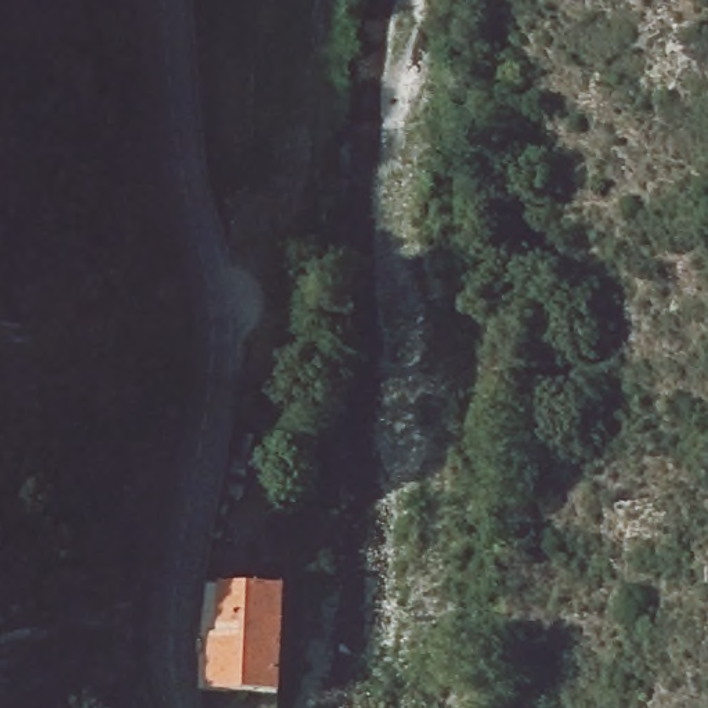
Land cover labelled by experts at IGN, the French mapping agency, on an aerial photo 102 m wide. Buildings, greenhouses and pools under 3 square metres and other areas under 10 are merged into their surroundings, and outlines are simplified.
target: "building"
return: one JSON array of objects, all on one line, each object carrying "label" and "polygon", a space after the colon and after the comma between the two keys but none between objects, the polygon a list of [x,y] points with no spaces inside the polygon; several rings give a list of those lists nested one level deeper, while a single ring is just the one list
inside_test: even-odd
[{"label": "building", "polygon": [[213,581],[205,586],[205,625],[210,628],[205,644],[205,678],[216,689],[238,691],[274,694],[279,678],[282,581],[241,578]]}]

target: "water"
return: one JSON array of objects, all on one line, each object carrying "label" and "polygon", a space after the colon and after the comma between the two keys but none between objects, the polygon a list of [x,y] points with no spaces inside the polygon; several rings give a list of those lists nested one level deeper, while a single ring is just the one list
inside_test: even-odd
[{"label": "water", "polygon": [[282,708],[351,708],[354,686],[360,680],[368,680],[371,667],[371,644],[382,636],[382,608],[373,608],[365,600],[365,550],[384,545],[384,531],[390,525],[376,506],[387,495],[387,490],[379,484],[384,467],[376,448],[376,420],[384,404],[382,387],[387,379],[420,373],[418,365],[407,365],[407,340],[412,332],[412,321],[418,315],[426,315],[423,301],[431,299],[429,279],[437,274],[426,268],[426,263],[418,254],[401,254],[398,235],[376,227],[376,180],[379,166],[384,163],[382,124],[387,116],[382,108],[384,47],[387,22],[393,17],[398,0],[357,0],[362,6],[362,19],[357,33],[360,55],[351,61],[351,86],[351,119],[346,133],[337,138],[340,163],[348,163],[340,224],[343,252],[357,257],[362,266],[360,285],[365,326],[360,343],[368,348],[368,360],[354,371],[354,384],[346,393],[343,412],[343,418],[354,418],[365,437],[357,448],[346,448],[335,459],[335,467],[343,470],[346,490],[346,548],[335,556],[335,572],[310,572],[307,564],[321,550],[315,545],[315,523],[310,517],[290,520],[282,509],[271,506],[257,520],[257,528],[263,534],[260,559],[241,578],[282,581],[279,678],[290,686],[293,697]]}]

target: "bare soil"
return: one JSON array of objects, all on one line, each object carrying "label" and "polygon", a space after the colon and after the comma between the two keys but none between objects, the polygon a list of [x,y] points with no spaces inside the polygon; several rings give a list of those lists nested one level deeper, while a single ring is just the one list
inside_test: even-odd
[{"label": "bare soil", "polygon": [[393,53],[393,36],[398,30],[393,17],[387,22],[384,47],[382,108],[387,116],[382,124],[387,130],[404,127],[409,111],[420,83],[412,66],[412,50],[420,36],[420,25],[426,17],[423,0],[415,0],[415,28],[409,30],[404,55]]}]

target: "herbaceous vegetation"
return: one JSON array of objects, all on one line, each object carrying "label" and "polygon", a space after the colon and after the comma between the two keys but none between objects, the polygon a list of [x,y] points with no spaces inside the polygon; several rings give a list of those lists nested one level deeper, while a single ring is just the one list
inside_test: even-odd
[{"label": "herbaceous vegetation", "polygon": [[293,11],[301,0],[224,0],[218,6],[218,25],[221,50],[227,53],[227,69],[232,75],[243,75],[252,83],[252,89],[263,91],[263,108],[243,136],[243,141],[249,144],[241,155],[246,174],[243,185],[235,191],[235,196],[224,199],[230,216],[230,238],[224,243],[230,249],[232,266],[221,268],[218,277],[224,285],[227,304],[238,310],[241,329],[249,337],[243,343],[243,368],[230,373],[230,398],[232,409],[238,412],[238,423],[230,434],[230,451],[235,451],[243,462],[235,470],[224,473],[221,481],[232,487],[232,498],[243,501],[238,506],[238,514],[257,520],[271,506],[252,465],[252,454],[282,415],[266,395],[266,384],[274,376],[274,351],[288,346],[293,337],[290,299],[296,285],[290,282],[285,268],[285,243],[290,238],[299,238],[318,218],[318,207],[340,224],[348,163],[340,163],[337,138],[324,141],[324,124],[310,113],[299,113],[301,69],[296,66],[296,55],[301,50],[296,50],[293,44]]},{"label": "herbaceous vegetation", "polygon": [[664,252],[658,257],[664,263],[672,263],[678,271],[678,279],[672,282],[669,293],[669,299],[678,301],[678,307],[683,307],[691,296],[697,301],[708,301],[708,285],[697,279],[697,268],[691,266],[689,254]]},{"label": "herbaceous vegetation", "polygon": [[[384,163],[379,166],[376,180],[376,227],[398,235],[401,254],[418,254],[426,263],[426,268],[437,274],[429,279],[431,299],[423,301],[426,315],[418,315],[412,321],[412,332],[407,340],[407,365],[418,365],[420,373],[387,379],[382,387],[384,404],[376,420],[376,448],[384,467],[379,484],[387,490],[387,495],[376,506],[390,525],[384,531],[384,545],[365,550],[365,600],[373,608],[382,608],[382,636],[371,644],[371,667],[376,661],[384,661],[384,647],[395,644],[395,639],[401,639],[407,631],[415,631],[415,622],[437,622],[437,617],[454,614],[456,603],[448,603],[443,608],[437,606],[437,597],[429,595],[429,589],[440,589],[445,584],[445,564],[437,561],[437,553],[429,548],[440,539],[440,528],[434,523],[443,520],[440,498],[434,498],[431,492],[454,490],[454,476],[445,470],[445,456],[448,445],[459,443],[462,434],[454,434],[448,429],[448,401],[456,390],[476,387],[478,343],[462,326],[467,315],[462,315],[456,307],[462,274],[456,271],[456,263],[462,257],[456,254],[456,249],[440,246],[420,252],[418,230],[412,227],[412,216],[418,216],[420,207],[420,196],[412,188],[412,183],[415,171],[420,169],[420,155],[429,149],[429,130],[423,111],[409,111],[404,127],[387,130],[382,124]],[[431,490],[420,492],[423,512],[418,525],[418,548],[409,550],[407,545],[395,545],[393,537],[395,520],[407,517],[404,501],[409,492],[415,492],[412,481],[420,478],[431,478]]]},{"label": "herbaceous vegetation", "polygon": [[611,277],[606,268],[606,260],[611,257],[617,241],[625,232],[625,216],[620,210],[622,199],[639,196],[642,202],[650,202],[655,188],[672,194],[678,180],[700,177],[700,171],[691,169],[683,158],[675,158],[675,141],[664,138],[661,133],[661,113],[617,113],[611,102],[600,94],[600,72],[592,72],[586,89],[581,83],[581,69],[572,66],[559,50],[539,44],[534,30],[525,36],[525,53],[548,69],[548,77],[539,80],[539,86],[545,91],[561,94],[567,102],[575,102],[589,116],[586,133],[570,130],[561,119],[550,119],[545,124],[548,133],[559,136],[561,147],[584,152],[586,169],[584,191],[578,191],[572,202],[564,205],[564,218],[572,221],[572,227],[567,238],[564,263],[553,271],[556,277],[564,277],[570,285],[581,285],[592,296],[589,310],[595,315],[595,351],[603,360],[608,360],[622,346],[625,354],[633,360],[653,360],[658,376],[655,412],[664,409],[667,398],[678,390],[708,401],[708,382],[700,379],[700,371],[689,371],[686,379],[678,379],[675,373],[669,373],[669,360],[683,362],[702,346],[700,337],[708,332],[708,324],[700,321],[686,326],[689,346],[683,348],[669,340],[658,340],[650,332],[650,318],[639,313],[639,307],[625,307],[625,288],[620,277]]},{"label": "herbaceous vegetation", "polygon": [[393,53],[404,55],[409,30],[415,28],[415,0],[398,0],[393,17],[398,30],[393,36]]},{"label": "herbaceous vegetation", "polygon": [[642,89],[672,89],[680,97],[691,94],[691,89],[680,83],[680,72],[686,69],[689,75],[697,75],[697,61],[689,58],[683,47],[678,53],[667,53],[667,41],[680,41],[680,30],[697,25],[691,0],[625,0],[633,8],[633,22],[639,25],[636,41],[644,50],[650,66],[639,77]]}]

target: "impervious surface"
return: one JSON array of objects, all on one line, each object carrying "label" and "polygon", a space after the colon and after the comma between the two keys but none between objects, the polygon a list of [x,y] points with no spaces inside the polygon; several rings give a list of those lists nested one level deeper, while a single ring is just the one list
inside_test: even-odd
[{"label": "impervious surface", "polygon": [[238,423],[238,412],[232,409],[230,398],[230,373],[243,368],[243,343],[249,337],[241,329],[238,310],[227,304],[224,285],[218,277],[221,268],[232,266],[230,249],[224,243],[230,238],[230,216],[224,199],[235,196],[235,191],[243,185],[246,174],[241,155],[249,144],[243,141],[243,136],[263,108],[263,91],[252,89],[252,83],[243,75],[232,75],[227,69],[227,53],[221,50],[218,25],[218,6],[224,0],[152,0],[163,11],[160,47],[149,55],[147,77],[155,113],[152,163],[158,166],[158,202],[166,213],[169,232],[174,241],[171,249],[177,263],[177,288],[183,296],[188,329],[194,335],[191,373],[199,376],[196,404],[183,418],[166,462],[169,520],[160,542],[163,575],[155,584],[149,584],[144,595],[141,653],[155,672],[163,708],[232,708],[238,691],[216,689],[205,678],[205,644],[210,628],[205,625],[205,586],[213,581],[241,578],[260,559],[263,534],[257,528],[257,520],[238,514],[238,506],[243,501],[232,498],[232,487],[221,481],[224,473],[235,470],[243,462],[235,451],[230,451],[230,434]]}]

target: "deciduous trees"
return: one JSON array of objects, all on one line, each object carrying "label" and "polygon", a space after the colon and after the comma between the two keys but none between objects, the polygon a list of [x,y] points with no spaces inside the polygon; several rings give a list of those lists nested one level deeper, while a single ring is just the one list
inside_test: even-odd
[{"label": "deciduous trees", "polygon": [[423,0],[426,17],[420,25],[420,36],[429,41],[426,55],[431,55],[429,75],[420,83],[409,111],[423,111],[429,130],[429,149],[420,155],[420,169],[415,171],[412,183],[412,188],[420,196],[420,207],[418,216],[412,216],[412,227],[418,230],[420,252],[440,246],[456,249],[456,254],[462,257],[456,263],[456,271],[462,274],[456,307],[462,315],[467,315],[462,326],[478,343],[476,387],[456,390],[448,401],[448,429],[454,434],[462,434],[459,443],[448,445],[445,456],[445,470],[454,476],[454,490],[431,492],[434,498],[440,498],[443,520],[434,523],[440,528],[440,539],[429,548],[437,553],[437,561],[445,564],[445,584],[440,589],[429,589],[429,595],[437,597],[437,606],[443,608],[448,603],[456,603],[454,614],[454,644],[445,653],[445,672],[459,675],[470,686],[459,694],[462,708],[495,708],[512,700],[514,689],[503,680],[503,672],[498,669],[503,667],[501,639],[506,631],[506,614],[501,614],[498,606],[487,597],[490,589],[498,584],[495,561],[501,556],[501,539],[492,531],[492,525],[501,492],[506,490],[498,481],[495,459],[503,456],[509,437],[528,456],[542,443],[556,451],[567,440],[578,440],[581,407],[592,398],[589,379],[603,373],[597,362],[603,360],[595,351],[595,315],[589,310],[592,296],[581,285],[570,285],[564,277],[556,277],[553,271],[539,252],[514,254],[506,246],[490,243],[487,199],[476,191],[476,177],[467,169],[470,144],[462,136],[462,122],[451,97],[456,80],[467,75],[470,66],[481,61],[481,55],[487,53],[487,41],[478,30],[484,6],[478,0]]},{"label": "deciduous trees", "polygon": [[301,50],[296,55],[296,66],[301,69],[299,113],[310,113],[324,124],[324,141],[337,138],[346,133],[351,119],[351,86],[346,91],[337,91],[326,69],[332,8],[337,0],[301,0],[293,11],[293,44],[296,50]]},{"label": "deciduous trees", "polygon": [[232,708],[282,708],[293,697],[290,686],[279,678],[274,694],[238,691]]},{"label": "deciduous trees", "polygon": [[368,348],[360,343],[365,326],[360,285],[362,266],[357,257],[343,252],[340,224],[318,207],[318,218],[299,238],[290,238],[285,243],[285,268],[290,282],[296,285],[290,299],[293,337],[288,346],[274,351],[274,376],[266,384],[266,395],[282,415],[252,454],[252,465],[271,506],[282,509],[290,520],[310,517],[315,523],[315,545],[321,550],[307,564],[310,572],[335,572],[335,556],[346,548],[346,490],[343,470],[335,467],[335,459],[346,448],[357,448],[365,437],[354,418],[343,418],[343,412],[346,393],[354,384],[354,371],[368,360]]},{"label": "deciduous trees", "polygon": [[169,232],[166,213],[158,202],[158,166],[152,163],[155,113],[147,77],[149,55],[160,47],[163,11],[152,0],[0,0],[0,708],[163,708],[155,672],[141,653],[144,595],[149,584],[155,584],[163,575],[160,542],[169,520],[166,462],[183,418],[196,404],[199,376],[191,373],[194,335],[188,329],[183,296],[177,288],[177,263],[171,249],[174,241]]}]

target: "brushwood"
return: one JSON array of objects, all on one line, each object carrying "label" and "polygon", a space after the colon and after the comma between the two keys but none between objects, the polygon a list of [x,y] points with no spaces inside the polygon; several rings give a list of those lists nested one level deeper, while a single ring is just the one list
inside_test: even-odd
[{"label": "brushwood", "polygon": [[625,232],[617,241],[611,257],[606,260],[606,268],[611,277],[620,277],[625,288],[625,307],[639,307],[639,313],[650,318],[650,332],[658,340],[669,340],[683,348],[689,346],[686,326],[700,321],[708,324],[708,301],[697,301],[691,296],[683,307],[678,307],[678,301],[669,299],[669,293],[672,282],[678,279],[678,271],[672,263],[664,263],[658,257],[664,252],[689,254],[691,266],[697,268],[697,279],[708,285],[708,0],[691,0],[697,25],[680,30],[680,41],[667,41],[667,53],[678,53],[683,47],[689,58],[697,61],[697,75],[689,75],[686,69],[680,72],[680,83],[691,89],[691,94],[680,97],[672,89],[642,89],[639,77],[650,66],[644,50],[636,41],[639,25],[633,22],[633,8],[625,0],[478,0],[484,6],[478,30],[487,41],[487,53],[481,55],[481,61],[470,66],[467,75],[456,80],[451,97],[462,122],[462,136],[470,144],[467,169],[476,177],[476,191],[487,199],[490,243],[506,246],[514,254],[539,252],[553,271],[564,263],[567,238],[572,227],[572,221],[564,218],[564,205],[572,202],[578,191],[584,191],[586,169],[584,152],[561,147],[559,136],[548,133],[545,124],[550,119],[561,119],[570,130],[586,133],[589,116],[575,102],[567,102],[561,94],[545,91],[539,86],[539,80],[548,77],[548,69],[525,53],[525,36],[534,30],[539,44],[559,50],[572,66],[581,69],[581,83],[586,89],[592,72],[600,72],[600,94],[611,102],[617,113],[661,113],[661,133],[664,138],[675,141],[675,158],[683,158],[691,169],[700,171],[700,177],[678,180],[672,194],[655,188],[650,202],[642,202],[639,196],[622,199],[620,210],[625,216]]},{"label": "brushwood", "polygon": [[431,55],[426,55],[429,41],[420,36],[412,50],[412,66],[420,83],[429,75]]},{"label": "brushwood", "polygon": [[462,708],[459,694],[470,686],[459,675],[445,672],[445,653],[454,644],[454,614],[437,617],[437,622],[415,622],[415,631],[407,631],[401,639],[395,639],[395,644],[384,647],[384,661],[376,661],[371,667],[368,680],[360,680],[354,686],[351,708]]},{"label": "brushwood", "polygon": [[689,371],[700,371],[700,379],[708,382],[708,332],[700,337],[702,346],[683,362],[669,360],[669,373],[675,373],[678,379],[686,379]]},{"label": "brushwood", "polygon": [[492,525],[492,531],[501,539],[501,556],[495,561],[498,584],[490,589],[487,597],[498,606],[501,614],[506,614],[506,631],[501,639],[503,667],[498,669],[503,672],[503,680],[514,689],[512,700],[495,708],[708,708],[708,401],[678,390],[667,398],[664,409],[655,412],[658,376],[653,360],[633,360],[625,354],[622,346],[608,360],[603,360],[597,362],[603,373],[589,379],[592,398],[581,407],[578,440],[567,440],[556,451],[542,443],[528,456],[509,437],[503,456],[495,459],[498,481],[506,490],[501,492]]},{"label": "brushwood", "polygon": [[409,550],[418,548],[418,525],[423,512],[420,492],[431,490],[431,478],[420,478],[412,481],[415,492],[409,492],[404,501],[407,517],[395,520],[393,537],[395,545],[407,545]]},{"label": "brushwood", "polygon": [[346,91],[351,86],[351,61],[360,55],[357,33],[362,19],[362,6],[357,0],[337,0],[332,8],[326,69],[337,91]]}]

